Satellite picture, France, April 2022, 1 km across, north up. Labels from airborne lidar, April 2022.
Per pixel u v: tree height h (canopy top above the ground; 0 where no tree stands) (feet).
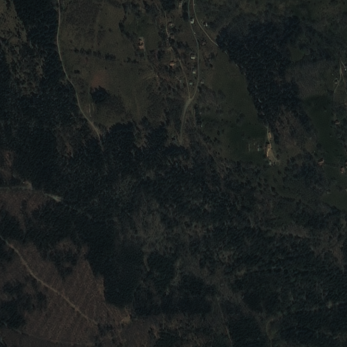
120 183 77
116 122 0
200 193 63
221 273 35
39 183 58
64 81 21
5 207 51
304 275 77
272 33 124
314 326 67
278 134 36
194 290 30
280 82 50
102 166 75
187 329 33
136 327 70
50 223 53
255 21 72
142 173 87
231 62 50
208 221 74
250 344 62
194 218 69
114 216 89
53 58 77
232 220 83
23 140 89
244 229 92
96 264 55
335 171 0
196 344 40
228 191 47
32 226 50
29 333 39
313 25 54
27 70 32
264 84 94
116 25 0
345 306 63
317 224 50
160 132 75
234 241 88
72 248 52
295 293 54
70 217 59
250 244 97
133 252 82
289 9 66
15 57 44
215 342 47
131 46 0
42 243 52
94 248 68
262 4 0
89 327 45
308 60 28
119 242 69
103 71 0
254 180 58
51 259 47
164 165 81
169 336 31
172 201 108
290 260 63
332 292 78
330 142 0
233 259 40
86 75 0
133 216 66
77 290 47
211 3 58
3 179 80
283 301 56
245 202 37
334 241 53
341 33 61
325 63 67
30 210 58
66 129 40
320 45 77
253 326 62
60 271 64
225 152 0
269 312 76
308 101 0
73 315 42
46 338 46
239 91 0
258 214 41
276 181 56
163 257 70
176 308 57
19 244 47
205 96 64
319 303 59
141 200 68
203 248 89
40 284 40
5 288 44
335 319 60
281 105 107
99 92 77
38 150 74
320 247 33
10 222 49
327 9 22
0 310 44
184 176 95
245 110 0
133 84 0
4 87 71
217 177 88
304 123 96
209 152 52
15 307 52
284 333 82
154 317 45
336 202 0
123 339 41
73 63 0
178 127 58
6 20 36
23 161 70
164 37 33
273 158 0
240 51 91
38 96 73
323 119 0
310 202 45
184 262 66
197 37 0
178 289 66
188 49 61
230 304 71
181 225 27
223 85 0
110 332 62
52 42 27
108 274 72
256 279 52
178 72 44
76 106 46
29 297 44
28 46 30
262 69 105
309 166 57
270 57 119
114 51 0
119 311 62
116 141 80
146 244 58
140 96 0
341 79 0
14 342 32
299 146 41
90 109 0
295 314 58
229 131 0
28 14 94
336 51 54
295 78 69
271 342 44
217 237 87
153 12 64
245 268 58
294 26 127
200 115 76
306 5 40
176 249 52
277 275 51
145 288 51
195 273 64
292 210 47
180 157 84
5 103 57
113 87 0
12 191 62
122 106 25
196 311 58
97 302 49
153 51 29
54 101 62
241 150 0
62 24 21
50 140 53
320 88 0
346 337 30
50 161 57
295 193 49
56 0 47
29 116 68
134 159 83
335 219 39
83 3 22
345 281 77
